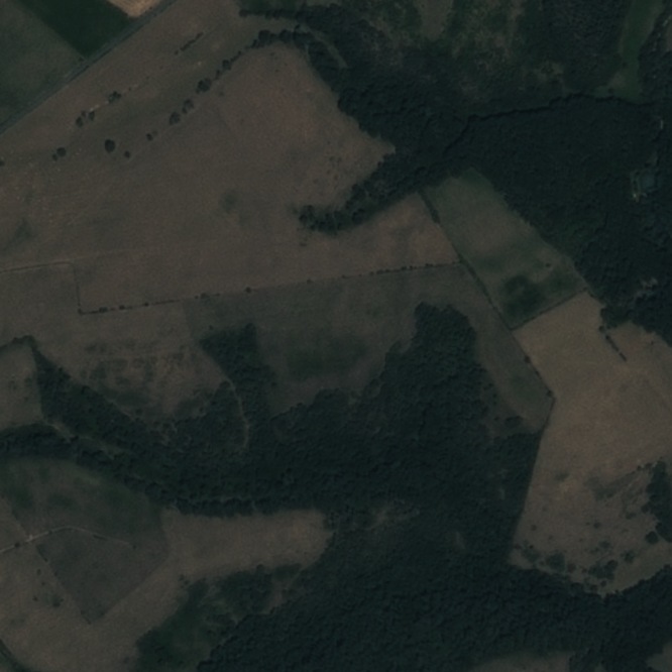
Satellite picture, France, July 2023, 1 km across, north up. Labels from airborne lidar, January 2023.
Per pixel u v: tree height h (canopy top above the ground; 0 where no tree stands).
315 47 20
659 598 22
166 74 0
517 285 0
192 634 0
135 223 0
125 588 0
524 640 15
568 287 0
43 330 0
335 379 0
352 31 6
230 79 0
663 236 12
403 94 18
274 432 12
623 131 22
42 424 0
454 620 14
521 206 11
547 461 0
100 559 0
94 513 0
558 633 22
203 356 0
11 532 0
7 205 0
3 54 0
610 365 0
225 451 8
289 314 0
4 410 0
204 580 0
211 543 0
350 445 15
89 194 0
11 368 0
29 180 0
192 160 0
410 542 12
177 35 0
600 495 0
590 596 13
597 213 6
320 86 0
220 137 0
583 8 18
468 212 0
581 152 21
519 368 0
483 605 20
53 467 0
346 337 0
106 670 0
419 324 10
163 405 0
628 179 16
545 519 0
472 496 19
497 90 7
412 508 12
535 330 0
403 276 0
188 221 0
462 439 17
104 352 0
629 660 16
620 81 0
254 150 0
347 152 0
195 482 19
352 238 0
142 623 0
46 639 0
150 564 0
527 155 23
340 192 0
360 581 17
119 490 0
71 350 0
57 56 0
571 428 0
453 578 22
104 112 0
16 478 0
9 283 0
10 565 0
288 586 0
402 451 21
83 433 20
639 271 21
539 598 25
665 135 14
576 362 0
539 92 16
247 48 9
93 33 0
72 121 0
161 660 8
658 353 0
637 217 19
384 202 15
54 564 0
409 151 16
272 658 17
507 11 0
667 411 0
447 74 12
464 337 15
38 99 0
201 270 0
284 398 0
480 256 0
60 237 0
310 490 24
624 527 0
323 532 0
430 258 0
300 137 0
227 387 9
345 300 0
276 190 0
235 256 0
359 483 24
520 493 11
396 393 12
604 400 0
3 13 0
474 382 17
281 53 0
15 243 0
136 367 0
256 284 0
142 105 0
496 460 11
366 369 0
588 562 0
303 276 0
